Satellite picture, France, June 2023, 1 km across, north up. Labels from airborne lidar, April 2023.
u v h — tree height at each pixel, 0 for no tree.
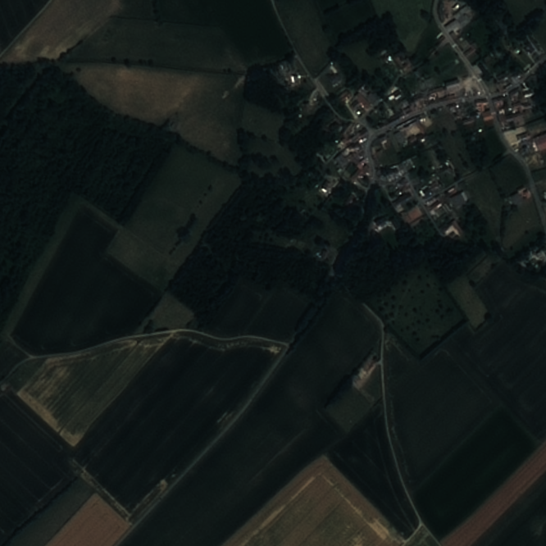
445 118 0
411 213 0
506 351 0
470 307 0
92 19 0
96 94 0
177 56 0
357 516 0
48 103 27
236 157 0
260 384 0
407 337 0
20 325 0
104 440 0
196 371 0
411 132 0
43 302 0
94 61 0
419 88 0
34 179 13
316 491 0
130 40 0
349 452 0
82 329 0
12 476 0
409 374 0
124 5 0
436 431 0
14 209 16
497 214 0
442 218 0
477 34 0
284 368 0
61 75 14
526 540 0
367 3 0
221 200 0
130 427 0
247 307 0
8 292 12
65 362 0
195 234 0
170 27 0
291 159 0
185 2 0
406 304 0
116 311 0
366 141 0
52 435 0
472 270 0
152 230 0
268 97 29
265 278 15
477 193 0
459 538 0
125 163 8
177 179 0
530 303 0
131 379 0
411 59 8
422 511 0
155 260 0
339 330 0
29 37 0
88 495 0
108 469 0
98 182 10
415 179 0
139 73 0
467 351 0
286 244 0
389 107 0
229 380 0
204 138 0
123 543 0
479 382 0
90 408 0
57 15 0
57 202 15
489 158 13
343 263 25
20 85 18
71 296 0
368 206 13
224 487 0
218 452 0
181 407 0
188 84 0
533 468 0
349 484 0
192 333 0
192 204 0
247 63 0
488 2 8
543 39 0
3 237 19
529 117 0
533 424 0
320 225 15
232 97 0
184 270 14
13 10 0
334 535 0
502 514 0
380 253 32
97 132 7
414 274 0
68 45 0
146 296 0
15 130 18
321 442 0
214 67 0
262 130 0
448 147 0
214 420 0
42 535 0
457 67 0
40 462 0
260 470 0
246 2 0
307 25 0
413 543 0
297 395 0
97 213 0
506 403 0
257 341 0
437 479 0
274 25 0
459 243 10
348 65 11
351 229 7
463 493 0
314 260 7
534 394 0
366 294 23
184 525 0
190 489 0
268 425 0
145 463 0
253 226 11
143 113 0
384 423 0
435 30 0
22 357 0
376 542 0
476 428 0
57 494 6
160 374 0
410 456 0
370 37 16
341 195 8
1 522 0
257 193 10
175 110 0
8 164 19
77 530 0
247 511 0
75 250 0
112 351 0
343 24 0
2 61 0
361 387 0
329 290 14
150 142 11
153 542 0
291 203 0
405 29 0
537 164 0
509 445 0
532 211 0
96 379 0
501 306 0
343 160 0
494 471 0
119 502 0
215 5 0
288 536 0
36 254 11
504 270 0
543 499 0
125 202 8
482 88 0
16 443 0
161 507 0
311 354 0
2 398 0
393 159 0
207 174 0
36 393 0
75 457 0
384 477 0
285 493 0
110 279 0
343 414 0
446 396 0
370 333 0
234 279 14
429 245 18
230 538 0
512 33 13
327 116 17
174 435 0
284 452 0
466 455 0
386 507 0
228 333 0
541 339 0
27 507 0
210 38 0
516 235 0
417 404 0
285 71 0
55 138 18
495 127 0
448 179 0
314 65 0
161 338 0
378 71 8
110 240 0
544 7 0
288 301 0
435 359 0
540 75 9
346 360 0
